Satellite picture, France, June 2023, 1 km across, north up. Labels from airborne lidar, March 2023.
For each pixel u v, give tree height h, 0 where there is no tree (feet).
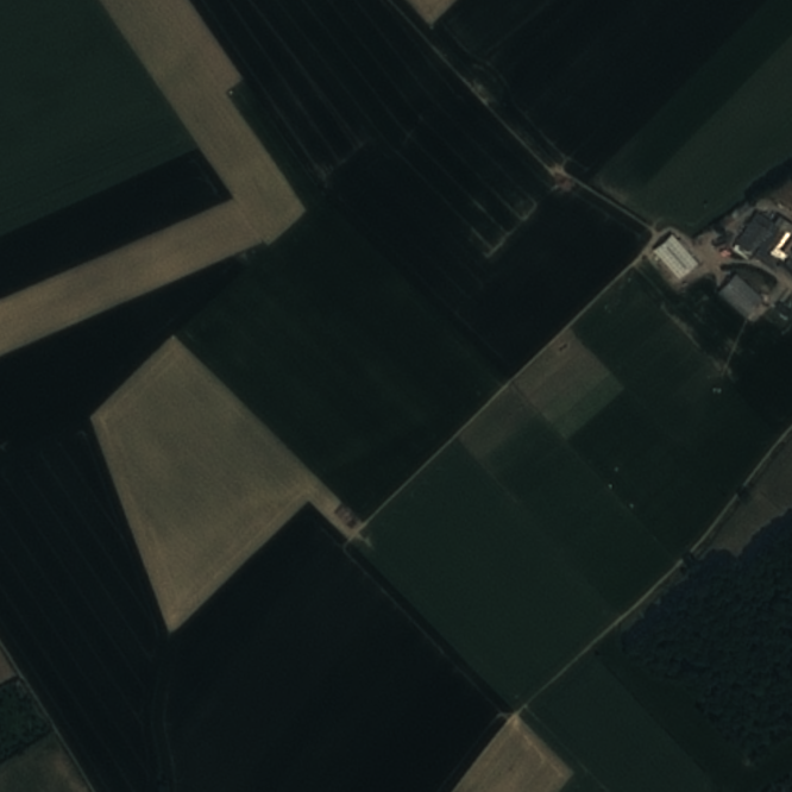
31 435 0
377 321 0
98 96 0
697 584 82
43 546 0
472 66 0
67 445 0
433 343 0
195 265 0
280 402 0
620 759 0
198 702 0
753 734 66
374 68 0
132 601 0
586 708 0
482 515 0
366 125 0
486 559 0
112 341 0
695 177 0
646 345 0
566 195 0
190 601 0
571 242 0
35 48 0
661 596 0
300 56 0
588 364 0
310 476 0
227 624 0
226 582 0
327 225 0
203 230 0
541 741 0
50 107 0
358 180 0
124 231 0
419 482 0
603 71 0
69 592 0
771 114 0
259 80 0
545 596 0
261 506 0
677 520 0
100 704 0
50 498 0
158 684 0
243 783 0
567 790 0
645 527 0
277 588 0
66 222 0
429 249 0
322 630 0
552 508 0
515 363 0
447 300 0
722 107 0
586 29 0
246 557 0
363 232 0
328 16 0
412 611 0
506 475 0
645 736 0
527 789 0
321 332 0
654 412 0
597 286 0
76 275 0
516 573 0
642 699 0
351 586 0
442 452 0
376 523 0
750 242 0
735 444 0
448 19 0
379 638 0
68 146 0
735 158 0
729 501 0
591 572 0
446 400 0
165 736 0
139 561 0
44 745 0
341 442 0
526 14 0
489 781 0
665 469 0
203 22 0
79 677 0
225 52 0
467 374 0
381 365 0
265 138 0
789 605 83
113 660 0
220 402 0
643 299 0
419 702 0
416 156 0
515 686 0
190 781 0
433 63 0
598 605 0
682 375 0
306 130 0
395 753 0
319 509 0
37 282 0
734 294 0
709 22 0
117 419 0
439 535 0
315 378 0
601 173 0
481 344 0
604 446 0
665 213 0
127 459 0
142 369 0
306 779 0
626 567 0
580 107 0
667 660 64
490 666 0
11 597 0
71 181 0
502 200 0
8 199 0
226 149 0
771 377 0
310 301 0
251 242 0
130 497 0
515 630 0
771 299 0
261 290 0
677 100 0
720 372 0
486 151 0
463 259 0
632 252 0
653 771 0
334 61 0
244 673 0
